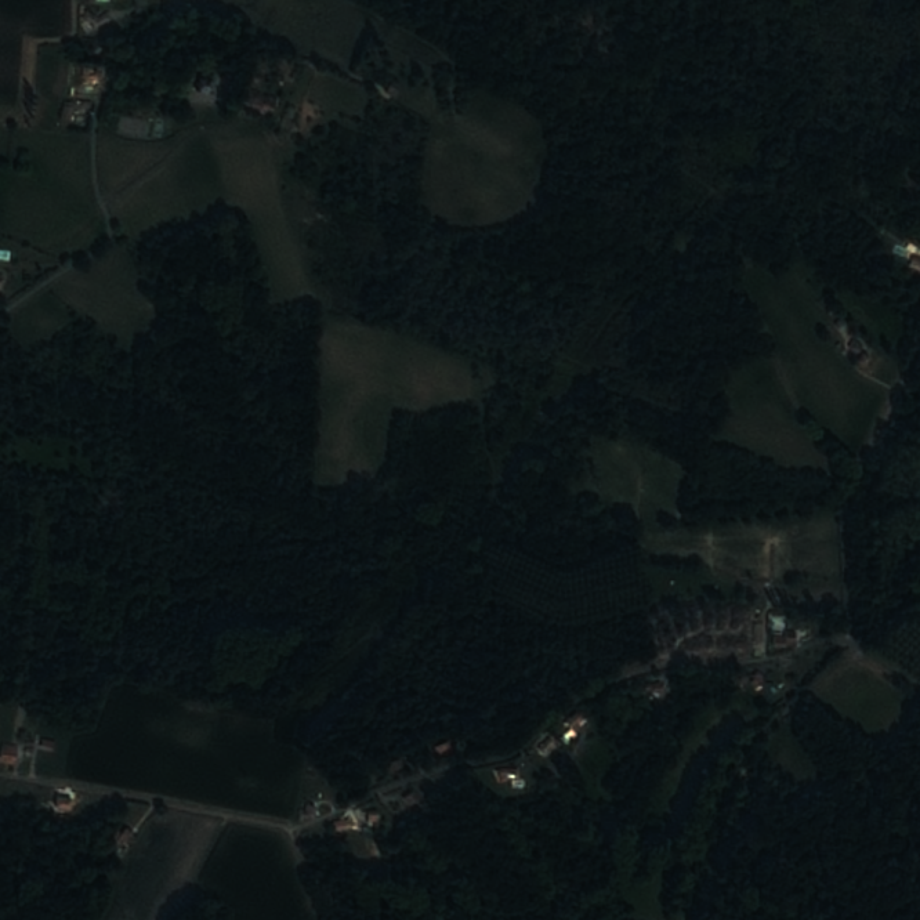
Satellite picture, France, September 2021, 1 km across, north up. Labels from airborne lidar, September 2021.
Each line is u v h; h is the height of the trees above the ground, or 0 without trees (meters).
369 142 19
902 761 18
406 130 17
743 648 0
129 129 0
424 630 9
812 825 26
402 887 42
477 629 20
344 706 22
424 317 14
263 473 28
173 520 12
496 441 16
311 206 0
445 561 18
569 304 5
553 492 25
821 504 23
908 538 29
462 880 29
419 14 23
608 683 13
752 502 20
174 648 26
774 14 8
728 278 22
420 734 18
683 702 16
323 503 9
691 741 0
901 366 15
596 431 17
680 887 22
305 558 26
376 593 12
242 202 0
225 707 15
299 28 0
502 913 20
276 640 36
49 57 0
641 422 19
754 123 15
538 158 0
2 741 0
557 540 29
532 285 21
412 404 0
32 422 13
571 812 7
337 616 16
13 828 25
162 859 0
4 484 16
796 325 0
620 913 18
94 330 9
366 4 7
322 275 6
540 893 28
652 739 23
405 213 22
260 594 25
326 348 0
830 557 0
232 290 33
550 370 7
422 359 0
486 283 19
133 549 20
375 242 0
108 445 19
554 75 18
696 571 13
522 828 14
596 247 25
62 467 0
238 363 21
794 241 22
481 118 0
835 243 20
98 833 32
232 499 21
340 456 0
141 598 34
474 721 20
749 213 20
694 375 19
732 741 25
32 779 0
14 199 0
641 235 20
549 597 34
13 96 0
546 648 22
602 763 0
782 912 26
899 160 23
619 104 11
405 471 16
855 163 9
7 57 0
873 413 0
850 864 25
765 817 23
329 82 0
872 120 7
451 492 11
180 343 11
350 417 0
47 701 21
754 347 21
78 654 23
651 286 11
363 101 0
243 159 0
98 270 0
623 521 26
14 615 11
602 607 28
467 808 31
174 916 24
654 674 10
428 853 28
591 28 6
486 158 0
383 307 17
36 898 32
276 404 27
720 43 23
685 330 21
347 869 25
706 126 21
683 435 23
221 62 16
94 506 13
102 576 28
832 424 0
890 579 12
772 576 0
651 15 18
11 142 0
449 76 9
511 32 16
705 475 12
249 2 0
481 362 8
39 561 32
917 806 14
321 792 0
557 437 12
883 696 0
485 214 0
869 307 0
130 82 18
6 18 0
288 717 7
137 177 0
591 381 6
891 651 31
